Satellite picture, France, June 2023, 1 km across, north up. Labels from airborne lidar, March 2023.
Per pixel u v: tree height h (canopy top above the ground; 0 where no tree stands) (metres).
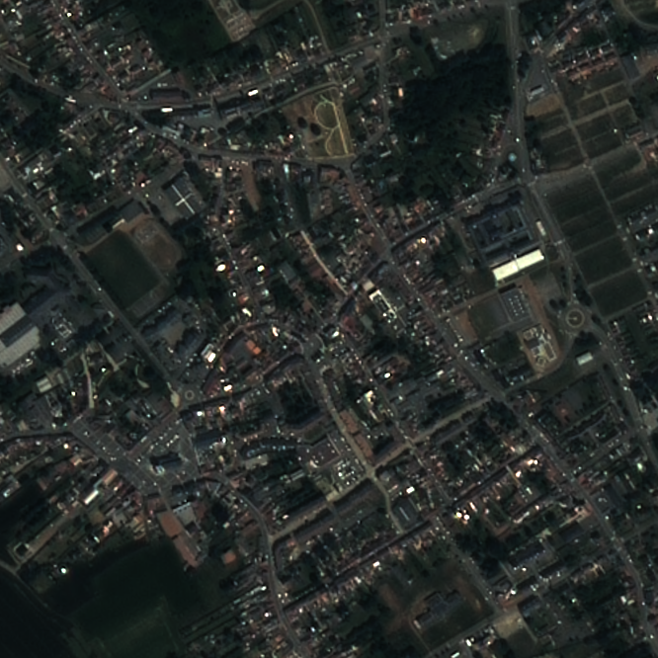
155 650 0
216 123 0
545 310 0
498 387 0
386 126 0
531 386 0
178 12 7
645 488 8
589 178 0
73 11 0
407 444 0
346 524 0
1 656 0
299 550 0
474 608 0
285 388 7
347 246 0
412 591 0
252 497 0
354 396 7
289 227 0
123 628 0
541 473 7
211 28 0
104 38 0
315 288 6
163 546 0
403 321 0
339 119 0
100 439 0
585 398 0
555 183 0
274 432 0
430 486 0
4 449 0
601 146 0
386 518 0
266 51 11
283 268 0
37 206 0
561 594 6
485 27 0
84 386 0
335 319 0
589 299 9
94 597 0
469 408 0
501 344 0
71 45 0
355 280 0
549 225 0
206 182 0
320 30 0
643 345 0
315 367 0
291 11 8
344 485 0
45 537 0
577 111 0
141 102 0
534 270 0
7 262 0
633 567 0
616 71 0
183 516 0
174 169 0
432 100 17
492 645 12
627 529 0
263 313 0
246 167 0
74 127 0
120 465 0
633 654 14
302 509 0
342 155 0
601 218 0
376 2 0
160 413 0
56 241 0
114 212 14
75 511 0
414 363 8
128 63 0
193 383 0
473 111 7
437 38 0
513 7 0
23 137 12
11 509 0
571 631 0
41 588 0
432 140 13
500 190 0
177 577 0
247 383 0
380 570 0
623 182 0
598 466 0
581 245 0
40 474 6
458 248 8
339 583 0
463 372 0
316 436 0
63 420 8
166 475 0
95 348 0
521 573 0
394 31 0
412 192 17
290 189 0
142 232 0
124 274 0
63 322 0
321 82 0
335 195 0
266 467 7
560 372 0
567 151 0
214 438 0
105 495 0
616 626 8
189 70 0
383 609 11
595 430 0
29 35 0
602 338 0
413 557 0
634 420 0
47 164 0
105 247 0
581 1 0
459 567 0
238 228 0
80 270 0
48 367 0
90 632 0
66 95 0
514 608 0
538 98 0
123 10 0
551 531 0
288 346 0
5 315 0
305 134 0
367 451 0
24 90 10
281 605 0
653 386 14
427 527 0
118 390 8
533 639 0
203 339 0
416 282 0
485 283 0
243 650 0
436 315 0
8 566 0
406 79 0
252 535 0
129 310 0
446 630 0
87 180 0
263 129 11
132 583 0
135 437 0
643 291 0
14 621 0
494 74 8
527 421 0
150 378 20
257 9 0
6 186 0
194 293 11
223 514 17
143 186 0
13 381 13
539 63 0
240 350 0
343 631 0
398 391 0
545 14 10
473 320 0
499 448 0
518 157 0
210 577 0
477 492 0
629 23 0
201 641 0
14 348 0
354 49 0
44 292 0
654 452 0
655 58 0
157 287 0
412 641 0
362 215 0
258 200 0
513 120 0
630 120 0
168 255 0
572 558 6
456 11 0
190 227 13
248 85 0
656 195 0
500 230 0
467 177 13
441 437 0
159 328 0
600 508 0
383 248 0
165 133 0
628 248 0
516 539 9
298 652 0
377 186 0
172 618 0
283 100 6
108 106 0
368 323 0
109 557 0
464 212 0
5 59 0
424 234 0
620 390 0
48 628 0
